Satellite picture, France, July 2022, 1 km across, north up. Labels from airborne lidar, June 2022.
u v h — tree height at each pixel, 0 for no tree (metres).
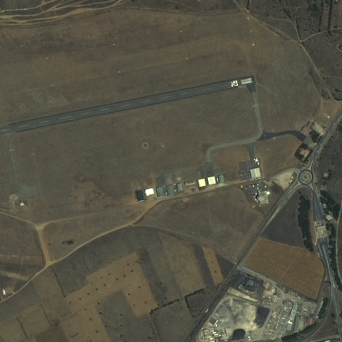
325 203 11
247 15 0
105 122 0
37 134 0
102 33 0
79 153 0
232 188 0
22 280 0
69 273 0
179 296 0
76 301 0
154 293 0
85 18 0
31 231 0
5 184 0
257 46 0
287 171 0
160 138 0
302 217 6
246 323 0
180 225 0
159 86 0
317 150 0
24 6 0
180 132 0
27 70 0
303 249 0
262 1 0
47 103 0
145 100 0
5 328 0
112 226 0
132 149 0
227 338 0
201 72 0
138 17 0
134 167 0
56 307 0
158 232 0
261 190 0
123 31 0
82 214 0
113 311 0
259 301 0
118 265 0
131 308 0
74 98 0
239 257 0
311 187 0
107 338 0
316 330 0
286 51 0
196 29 0
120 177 0
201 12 0
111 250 0
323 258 0
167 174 0
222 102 0
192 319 0
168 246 0
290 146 0
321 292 0
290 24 0
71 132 0
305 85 0
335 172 0
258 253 0
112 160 0
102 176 0
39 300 0
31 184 0
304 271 0
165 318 0
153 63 0
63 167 0
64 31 0
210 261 0
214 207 0
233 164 0
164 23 0
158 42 0
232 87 0
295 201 0
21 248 0
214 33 0
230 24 0
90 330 0
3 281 0
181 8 0
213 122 0
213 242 0
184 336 0
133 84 0
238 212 0
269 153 0
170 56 0
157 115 0
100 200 0
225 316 0
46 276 0
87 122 0
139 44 0
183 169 0
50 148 0
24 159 0
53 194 0
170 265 0
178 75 0
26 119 0
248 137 0
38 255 0
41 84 0
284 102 0
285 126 0
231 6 0
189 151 0
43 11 0
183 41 0
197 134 0
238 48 0
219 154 0
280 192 0
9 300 0
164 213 0
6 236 0
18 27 0
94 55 0
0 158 0
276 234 0
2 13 0
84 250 0
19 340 0
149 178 0
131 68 0
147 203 0
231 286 0
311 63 0
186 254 0
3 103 0
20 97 0
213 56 0
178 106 0
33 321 0
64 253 0
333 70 0
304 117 0
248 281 0
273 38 0
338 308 0
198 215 0
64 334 0
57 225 0
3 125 0
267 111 0
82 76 0
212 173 0
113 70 0
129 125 0
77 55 0
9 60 0
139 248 0
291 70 0
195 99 0
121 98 0
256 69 0
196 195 0
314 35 0
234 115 0
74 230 0
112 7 0
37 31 0
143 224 0
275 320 0
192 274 0
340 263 0
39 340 0
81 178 0
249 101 0
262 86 0
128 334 0
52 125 0
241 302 0
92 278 0
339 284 11
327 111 0
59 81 0
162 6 0
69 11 0
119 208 0
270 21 0
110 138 0
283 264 0
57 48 0
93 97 0
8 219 0
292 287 0
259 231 0
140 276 0
